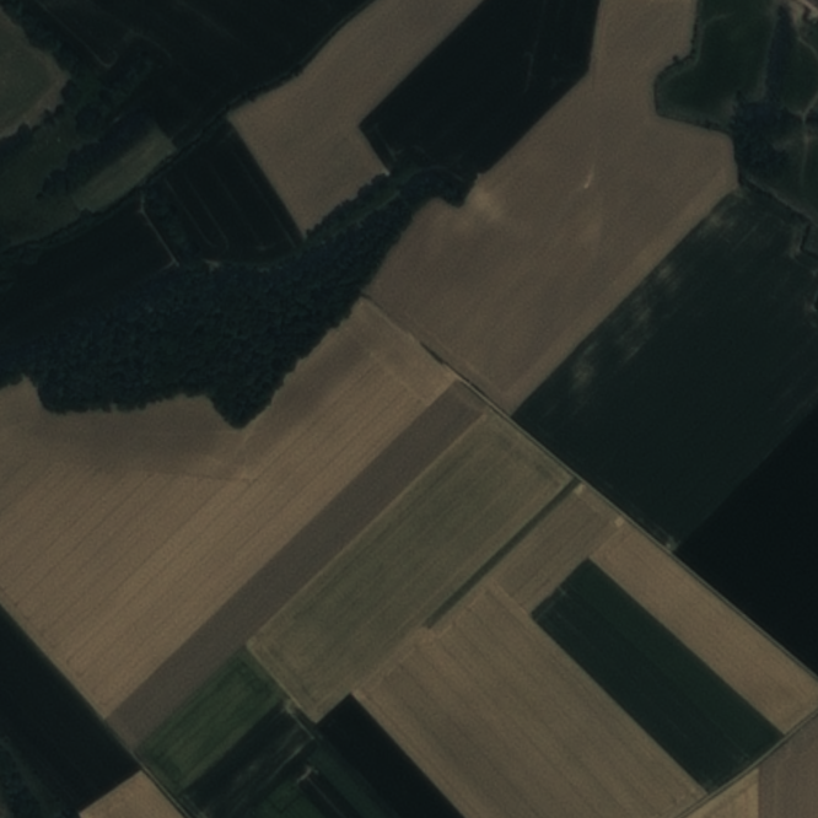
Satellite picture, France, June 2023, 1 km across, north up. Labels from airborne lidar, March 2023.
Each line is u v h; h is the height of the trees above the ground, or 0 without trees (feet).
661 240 0
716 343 0
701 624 0
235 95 0
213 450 0
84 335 84
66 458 0
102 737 0
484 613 0
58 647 0
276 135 0
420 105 0
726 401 0
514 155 0
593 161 0
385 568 0
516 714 0
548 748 0
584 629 0
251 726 0
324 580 0
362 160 0
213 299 70
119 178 0
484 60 0
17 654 0
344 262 90
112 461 0
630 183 0
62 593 0
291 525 0
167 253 0
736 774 0
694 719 0
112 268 0
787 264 0
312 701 0
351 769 0
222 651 0
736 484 0
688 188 0
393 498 0
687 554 0
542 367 0
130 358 76
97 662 0
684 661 0
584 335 0
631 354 0
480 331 0
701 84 0
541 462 0
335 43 0
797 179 0
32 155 0
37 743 0
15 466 0
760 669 0
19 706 0
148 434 0
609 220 0
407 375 0
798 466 0
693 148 0
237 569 0
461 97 0
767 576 0
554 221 0
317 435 0
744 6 0
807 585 0
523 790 0
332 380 0
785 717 0
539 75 0
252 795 0
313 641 0
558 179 0
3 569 0
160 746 0
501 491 0
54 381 75
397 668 0
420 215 0
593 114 0
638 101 0
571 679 0
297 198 0
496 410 0
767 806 0
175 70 0
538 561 0
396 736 0
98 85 0
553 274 0
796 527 0
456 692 0
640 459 0
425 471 0
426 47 0
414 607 0
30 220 0
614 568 0
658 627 0
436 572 0
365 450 0
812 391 0
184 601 0
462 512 0
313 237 32
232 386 66
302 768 0
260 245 0
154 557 0
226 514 0
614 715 0
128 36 0
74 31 0
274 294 96
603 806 0
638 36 0
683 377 0
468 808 0
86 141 0
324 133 0
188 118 0
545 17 0
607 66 0
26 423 0
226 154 0
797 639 0
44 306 0
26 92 0
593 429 0
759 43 0
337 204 0
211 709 0
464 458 0
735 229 0
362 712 0
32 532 0
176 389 41
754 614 0
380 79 0
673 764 0
